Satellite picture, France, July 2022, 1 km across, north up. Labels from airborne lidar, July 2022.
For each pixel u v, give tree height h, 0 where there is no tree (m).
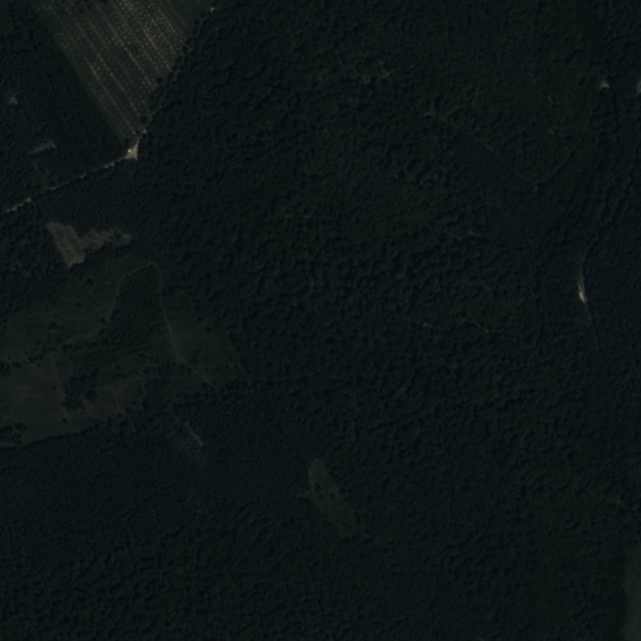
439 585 16
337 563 19
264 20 26
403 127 30
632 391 18
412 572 12
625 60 24
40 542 17
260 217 14
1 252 18
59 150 14
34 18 18
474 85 15
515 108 20
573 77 24
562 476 9
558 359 21
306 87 31
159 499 22
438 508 24
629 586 0
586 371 21
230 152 18
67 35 0
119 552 27
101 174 19
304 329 22
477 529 24
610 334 20
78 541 17
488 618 26
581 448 33
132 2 0
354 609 23
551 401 27
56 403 0
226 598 23
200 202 26
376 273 16
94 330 0
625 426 26
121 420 15
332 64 38
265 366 25
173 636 30
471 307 23
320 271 26
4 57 25
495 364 17
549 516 31
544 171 15
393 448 26
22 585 12
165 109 13
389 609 17
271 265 24
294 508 22
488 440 23
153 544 28
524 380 27
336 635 17
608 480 15
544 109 21
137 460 20
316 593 19
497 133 30
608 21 16
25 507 18
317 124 9
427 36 17
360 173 23
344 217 26
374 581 14
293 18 10
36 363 17
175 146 19
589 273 18
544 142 22
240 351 21
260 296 24
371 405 23
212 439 15
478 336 22
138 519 21
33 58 21
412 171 38
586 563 27
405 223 17
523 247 27
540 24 28
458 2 20
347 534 0
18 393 0
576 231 22
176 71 14
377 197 19
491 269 24
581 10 8
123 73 0
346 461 14
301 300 30
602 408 21
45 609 28
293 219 10
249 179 23
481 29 18
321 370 25
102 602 26
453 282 24
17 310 12
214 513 23
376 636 22
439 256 21
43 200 18
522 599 24
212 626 29
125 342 7
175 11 0
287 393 25
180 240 24
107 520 17
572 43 27
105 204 17
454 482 17
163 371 11
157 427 24
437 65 20
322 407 21
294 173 10
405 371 23
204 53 20
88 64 0
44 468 16
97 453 14
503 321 22
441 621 18
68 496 14
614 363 19
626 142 31
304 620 28
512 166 9
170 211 19
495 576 21
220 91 26
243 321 16
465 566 21
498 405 15
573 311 22
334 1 31
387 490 23
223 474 18
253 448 20
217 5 15
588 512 28
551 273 18
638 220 26
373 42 19
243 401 21
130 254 15
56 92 19
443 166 9
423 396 26
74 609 23
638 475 28
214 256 27
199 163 23
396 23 25
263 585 19
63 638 23
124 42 0
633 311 23
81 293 0
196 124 21
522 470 38
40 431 0
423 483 24
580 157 32
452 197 28
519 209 24
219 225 26
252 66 26
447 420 19
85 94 20
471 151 21
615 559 16
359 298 32
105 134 12
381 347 25
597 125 25
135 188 13
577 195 18
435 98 9
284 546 21
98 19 0
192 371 14
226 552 19
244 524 24
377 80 30
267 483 18
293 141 22
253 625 20
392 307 28
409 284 13
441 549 23
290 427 18
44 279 21
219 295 24
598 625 22
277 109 32
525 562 13
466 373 34
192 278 25
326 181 23
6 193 18
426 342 25
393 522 19
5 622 26
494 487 23
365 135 12
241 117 21
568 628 28
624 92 31
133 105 0
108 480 19
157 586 27
